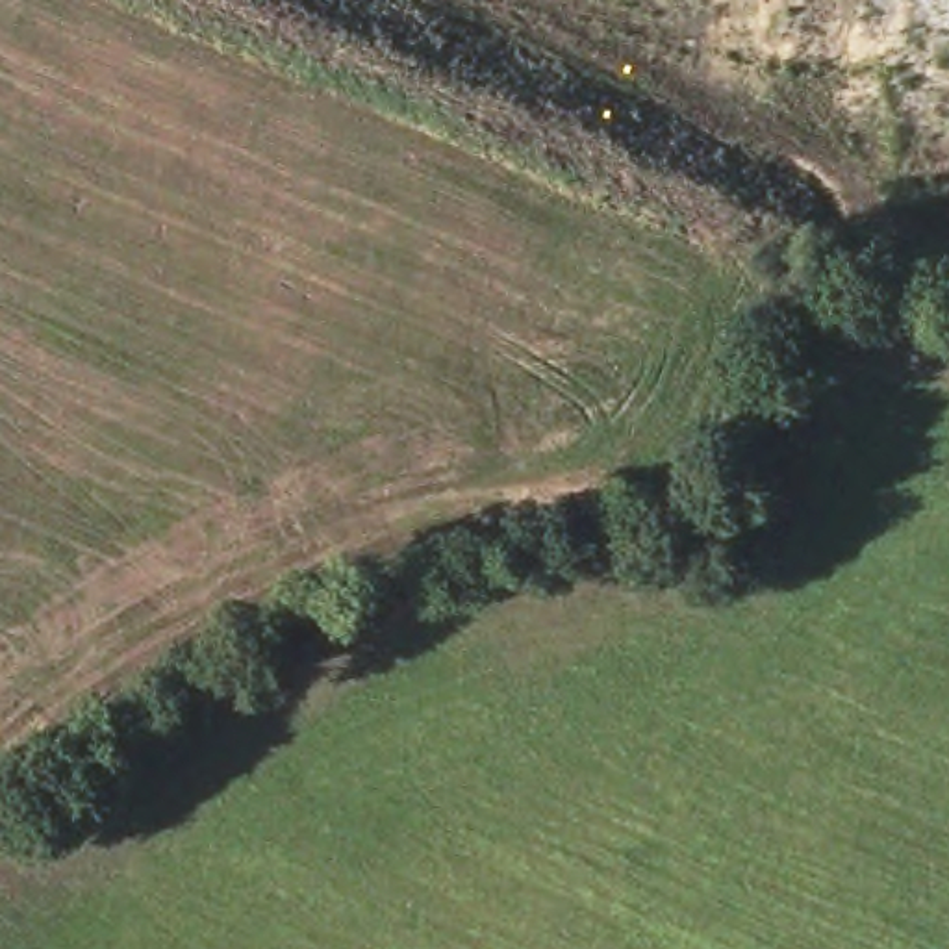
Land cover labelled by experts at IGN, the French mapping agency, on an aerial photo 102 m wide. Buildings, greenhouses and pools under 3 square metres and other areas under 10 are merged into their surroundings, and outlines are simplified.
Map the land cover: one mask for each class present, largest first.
<instances>
[{"label":"agricultural land","instance_id":"1","mask_svg":"<svg viewBox=\"0 0 949 949\"><path fill-rule=\"evenodd\" d=\"M756 256L745 252L741 274H715L708 256L671 237H656V230L593 211L586 204H571L556 196V185H541L526 174H512L493 159L460 152L419 126H404L397 119L371 111L367 104H356L345 93H326L297 78H282L267 67H252L211 44L185 41L152 19L126 15L104 0H0V745L15 749L26 738L63 723L74 697L89 690L108 693L104 678L111 675L126 686L133 671L159 667L174 641L196 638L204 630L208 608L215 604H256L259 593L293 575L352 560L360 552L397 560L419 526L475 515L486 504H552L571 493L601 489L608 475H619L623 467L667 463L671 434L686 430L712 404L708 356L719 341V319L741 315L767 300L771 278L764 267L753 263ZM764 449L778 452L771 460L775 486L764 493L767 523L730 538V604L697 608L686 604L678 589L626 593L615 578H586L571 593L552 597L534 589L489 604L478 612L475 623L467 615H400L389 630H378L374 638L360 641L352 634L348 641H341L337 656L323 660L319 682L308 693L300 686H278L259 708L245 712V719L252 723L248 741H185L167 764V775L156 782V797L133 808L126 823V841L78 845L67 856L52 860V867L37 871H19L0 860V949H949V367L916 348L912 337L886 348H860L849 341L841 348L834 386L827 393H816L812 404L797 411L790 423H767L760 430Z\"/></svg>","mask_w":949,"mask_h":949},{"label":"deciduous trees","instance_id":"2","mask_svg":"<svg viewBox=\"0 0 949 949\"><path fill-rule=\"evenodd\" d=\"M753 263L764 267L771 278L767 300L741 315L719 319V341L708 356L712 404L686 430L671 434L667 463L623 467L619 475H608L601 489L571 493L552 504H486L475 515L419 526L397 560L360 552L352 560L293 575L259 593L256 604H215L208 608L204 630L196 638L174 641L159 667L133 671L126 686L111 675L104 678L108 693L89 690L74 697L63 723L26 738L15 749L0 745V860L19 871H37L52 867V860L67 856L78 845L126 841V823L133 808L156 797V782L167 775V764L185 741H248L252 723L245 719V712L259 708L278 686H300L308 693L319 682L323 660L337 656L341 641H348L352 634L360 641L374 638L378 630H389L400 615H467L475 623L478 612L489 604L534 589L552 597L571 593L586 578H615L626 593L678 589L686 604L697 608L730 604V538L767 523L764 493L775 486L771 460L778 452L764 449L760 430L767 423H790L797 411L812 404L816 393H827L834 386L841 348L849 341L860 348H886L912 337L916 348L949 367V237H927L912 226H893L882 219L879 208L841 215L827 230L797 226L793 237L786 234L756 256Z\"/></svg>","mask_w":949,"mask_h":949},{"label":"pervious surface","instance_id":"3","mask_svg":"<svg viewBox=\"0 0 949 949\"><path fill-rule=\"evenodd\" d=\"M182 15L226 22L237 33L311 52L326 67H356L374 82H408L415 93H430L437 104L456 108L471 126L500 137L504 145L541 148L549 159H556V167L582 174V189L612 185L626 196H638L641 208H652L660 215L656 230V237H671L708 256L715 274H741L745 252L756 256L786 234L793 237L797 226L827 230L841 215L834 193L841 189V178L827 163L812 156L782 163L745 156L727 141L701 133L697 122L652 104L626 82L634 74L630 63L619 67V74H612L567 56V78L552 70H526L512 59L508 37L489 26L486 11H467L452 0H174ZM664 26L682 30L686 44L701 48L708 63V82H719L723 89H749L756 104L771 89L767 59L860 63L879 56L882 63H908L916 74H923V82L905 96V108L916 115L919 130L942 133V145H949V0H660ZM838 108H845L849 115L867 111L875 119L890 115L875 78H849V85L834 96Z\"/></svg>","mask_w":949,"mask_h":949},{"label":"herbaceous vegetation","instance_id":"4","mask_svg":"<svg viewBox=\"0 0 949 949\"><path fill-rule=\"evenodd\" d=\"M126 15L152 19L185 41L211 44L252 67H267L282 78H297L326 93H345L356 104H367L371 111L397 119L404 126H419L460 152L493 159L512 174H526L541 185H556V196L571 204H586L593 211L656 230L660 215L652 208H641L638 196H626L612 185L582 189V174L556 167V159H549L541 148L504 145L500 137L471 126L456 108L437 104L430 93H415L408 82H374L356 67H326L311 52L237 33L226 22L182 15L174 0H104ZM467 11H486L489 26L508 37L512 59L526 70H552L567 78V56L612 74H619V67L630 63L634 74L626 82L652 104L697 122L701 133L727 141L745 156L782 163L812 156L827 163L841 178V189L834 193L841 215L879 208L882 219L893 226H912L927 237H949V145H942V133L919 130L916 115L905 108V96L923 82V74H916L908 63H882L879 56L860 63L767 59L771 89L756 104L749 89H723L719 82H708V63L701 48L686 44L682 30L664 26L660 0H452ZM849 78H875L890 115L875 119L867 111L849 115L845 108H838L834 96L849 85Z\"/></svg>","mask_w":949,"mask_h":949}]
</instances>
